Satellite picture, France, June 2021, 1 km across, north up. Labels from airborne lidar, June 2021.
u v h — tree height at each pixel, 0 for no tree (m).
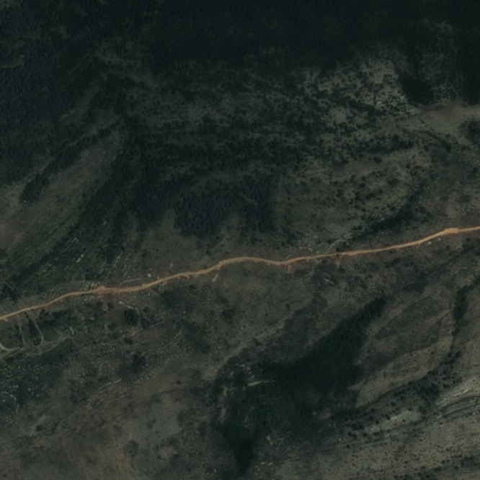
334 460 0
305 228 0
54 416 0
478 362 0
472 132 5
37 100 9
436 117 0
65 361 0
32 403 0
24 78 12
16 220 0
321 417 0
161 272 0
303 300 0
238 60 6
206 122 7
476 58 7
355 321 7
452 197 0
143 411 0
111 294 0
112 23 7
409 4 6
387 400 0
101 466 0
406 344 0
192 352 0
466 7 6
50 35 7
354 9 6
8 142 6
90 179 0
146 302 0
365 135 0
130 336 0
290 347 0
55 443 0
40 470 0
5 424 0
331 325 0
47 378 0
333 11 8
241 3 7
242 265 0
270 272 0
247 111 0
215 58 6
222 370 0
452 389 0
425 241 0
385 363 0
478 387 0
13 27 11
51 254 6
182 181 10
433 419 0
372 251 0
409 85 6
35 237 0
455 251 0
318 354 6
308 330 0
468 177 0
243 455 9
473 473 0
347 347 7
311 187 0
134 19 6
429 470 0
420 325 0
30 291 0
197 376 0
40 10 8
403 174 0
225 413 0
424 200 0
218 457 0
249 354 0
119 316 0
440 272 0
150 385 0
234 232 0
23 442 0
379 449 0
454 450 0
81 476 0
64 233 0
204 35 6
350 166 0
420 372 0
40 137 6
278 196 0
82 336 0
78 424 0
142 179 7
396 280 0
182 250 0
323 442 0
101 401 0
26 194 7
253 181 8
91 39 8
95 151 0
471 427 0
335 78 0
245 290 0
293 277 0
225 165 7
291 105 0
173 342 0
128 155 7
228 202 8
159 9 6
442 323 0
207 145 9
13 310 0
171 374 0
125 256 0
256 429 5
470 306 0
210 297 0
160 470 0
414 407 0
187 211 8
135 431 0
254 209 10
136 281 0
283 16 7
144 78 0
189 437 0
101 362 0
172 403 0
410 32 6
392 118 0
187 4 6
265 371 11
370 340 0
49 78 6
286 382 6
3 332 0
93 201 9
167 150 7
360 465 0
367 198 6
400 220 7
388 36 6
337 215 0
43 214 0
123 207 7
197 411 0
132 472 0
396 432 0
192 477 0
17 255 0
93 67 8
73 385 0
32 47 8
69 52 8
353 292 0
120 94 6
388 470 0
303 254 0
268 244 0
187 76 6
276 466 0
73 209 0
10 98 8
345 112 0
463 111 0
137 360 9
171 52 7
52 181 0
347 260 0
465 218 0
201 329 0
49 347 0
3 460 0
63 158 10
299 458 0
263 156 8
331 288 0
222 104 0
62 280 0
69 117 0
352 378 6
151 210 10
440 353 0
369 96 0
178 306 0
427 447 0
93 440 0
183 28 7
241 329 0
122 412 0
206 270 0
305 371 6
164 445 0
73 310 0
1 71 8
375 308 8
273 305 0
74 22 10
